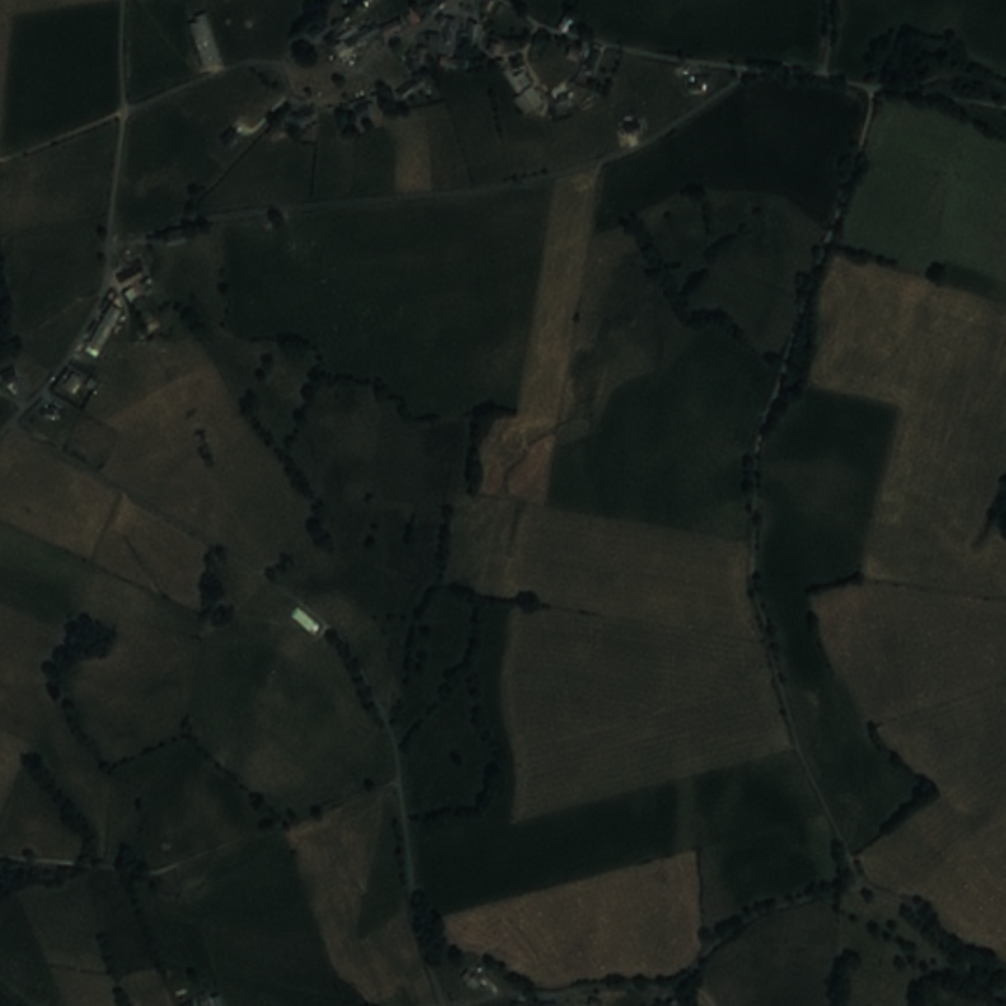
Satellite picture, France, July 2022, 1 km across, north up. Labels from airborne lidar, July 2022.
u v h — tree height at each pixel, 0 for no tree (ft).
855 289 0
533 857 0
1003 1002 34
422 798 0
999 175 0
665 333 0
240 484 0
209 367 0
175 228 25
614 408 0
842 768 0
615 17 0
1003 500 22
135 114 0
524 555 0
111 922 0
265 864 0
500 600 21
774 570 0
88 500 0
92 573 0
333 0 23
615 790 0
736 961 0
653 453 0
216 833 0
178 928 0
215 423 0
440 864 0
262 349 0
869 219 0
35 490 0
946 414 0
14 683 0
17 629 0
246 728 0
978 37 0
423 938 48
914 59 27
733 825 0
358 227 0
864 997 0
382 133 0
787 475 0
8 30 0
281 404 0
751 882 0
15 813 0
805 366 30
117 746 0
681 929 0
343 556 0
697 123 0
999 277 0
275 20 0
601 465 0
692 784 0
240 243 0
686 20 0
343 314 0
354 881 0
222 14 0
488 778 41
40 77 0
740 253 0
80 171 0
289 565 44
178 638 0
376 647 0
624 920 0
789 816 0
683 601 0
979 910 0
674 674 0
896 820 37
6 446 0
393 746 0
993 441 0
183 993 0
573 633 0
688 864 0
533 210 0
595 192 0
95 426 0
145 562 0
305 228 0
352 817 0
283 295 0
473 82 0
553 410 0
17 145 0
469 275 0
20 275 0
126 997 19
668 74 0
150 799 0
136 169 0
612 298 0
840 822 0
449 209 0
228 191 0
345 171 0
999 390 0
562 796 0
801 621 0
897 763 57
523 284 0
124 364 0
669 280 36
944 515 0
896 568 0
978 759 0
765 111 0
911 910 31
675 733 0
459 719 0
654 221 0
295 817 51
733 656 0
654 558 0
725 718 0
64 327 0
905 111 0
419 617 36
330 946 0
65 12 0
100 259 31
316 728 0
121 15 0
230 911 0
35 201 0
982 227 0
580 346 0
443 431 0
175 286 0
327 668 0
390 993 0
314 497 44
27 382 0
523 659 0
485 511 0
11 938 0
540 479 0
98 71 0
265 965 0
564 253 0
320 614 0
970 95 31
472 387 0
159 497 0
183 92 0
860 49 0
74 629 52
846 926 0
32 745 0
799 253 0
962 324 0
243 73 0
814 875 0
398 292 0
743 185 0
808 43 0
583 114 0
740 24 0
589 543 0
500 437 0
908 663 0
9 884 43
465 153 0
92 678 0
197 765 0
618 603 0
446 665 0
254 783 0
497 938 0
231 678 0
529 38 23
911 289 0
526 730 0
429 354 0
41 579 0
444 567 36
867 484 0
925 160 0
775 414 35
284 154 0
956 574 0
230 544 0
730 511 0
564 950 0
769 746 0
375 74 0
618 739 0
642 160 0
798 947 0
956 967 50
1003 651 0
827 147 0
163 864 0
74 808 30
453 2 0
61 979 0
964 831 0
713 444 0
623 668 0
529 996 41
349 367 0
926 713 0
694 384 0
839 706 0
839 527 0
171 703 0
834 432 0
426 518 0
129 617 0
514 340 0
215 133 0
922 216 0
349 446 0
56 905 0
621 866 0
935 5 0
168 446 0
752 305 0
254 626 0
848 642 0
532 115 0
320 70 0
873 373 0
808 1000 0
